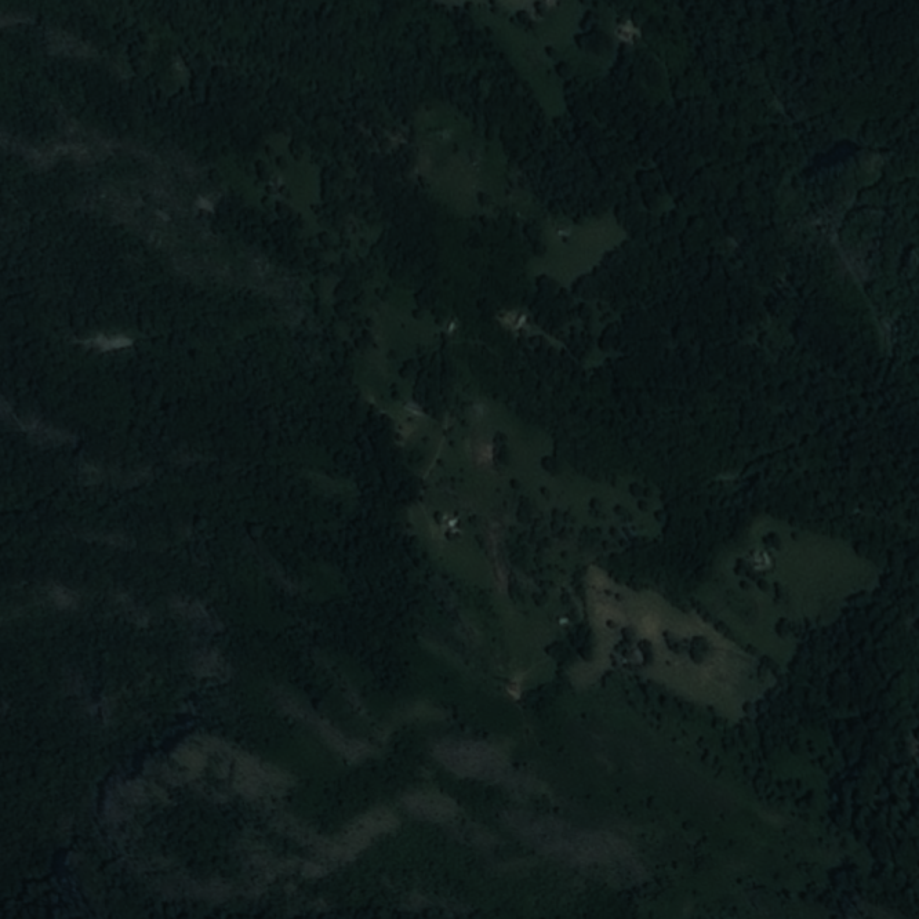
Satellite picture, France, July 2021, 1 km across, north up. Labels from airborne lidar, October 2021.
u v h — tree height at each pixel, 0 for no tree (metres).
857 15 20
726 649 0
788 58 8
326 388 11
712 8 8
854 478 23
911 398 20
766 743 12
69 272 8
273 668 7
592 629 9
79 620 7
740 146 10
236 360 11
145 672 7
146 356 12
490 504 0
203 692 8
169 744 11
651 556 12
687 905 0
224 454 11
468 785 9
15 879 25
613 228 0
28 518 15
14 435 14
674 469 12
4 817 13
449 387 9
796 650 0
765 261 25
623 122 11
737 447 10
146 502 9
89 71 8
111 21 6
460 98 13
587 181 26
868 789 31
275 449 7
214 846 10
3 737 10
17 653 13
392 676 11
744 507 9
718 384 11
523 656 0
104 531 8
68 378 9
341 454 12
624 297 8
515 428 0
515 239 12
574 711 0
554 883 5
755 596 0
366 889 12
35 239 11
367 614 10
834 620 0
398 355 7
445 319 9
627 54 17
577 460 10
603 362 0
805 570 0
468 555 0
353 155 6
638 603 0
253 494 10
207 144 8
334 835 8
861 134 22
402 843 7
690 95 11
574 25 0
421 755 6
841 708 15
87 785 11
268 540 9
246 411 14
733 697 0
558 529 8
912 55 12
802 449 11
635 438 10
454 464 0
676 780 0
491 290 8
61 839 10
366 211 9
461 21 14
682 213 9
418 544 13
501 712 0
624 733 0
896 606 18
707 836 6
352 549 10
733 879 0
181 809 11
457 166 0
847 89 16
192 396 13
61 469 14
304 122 8
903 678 14
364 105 21
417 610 11
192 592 10
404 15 14
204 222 7
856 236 6
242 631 7
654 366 20
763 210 12
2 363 8
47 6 11
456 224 7
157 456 6
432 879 9
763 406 11
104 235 9
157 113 9
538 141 20
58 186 10
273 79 14
